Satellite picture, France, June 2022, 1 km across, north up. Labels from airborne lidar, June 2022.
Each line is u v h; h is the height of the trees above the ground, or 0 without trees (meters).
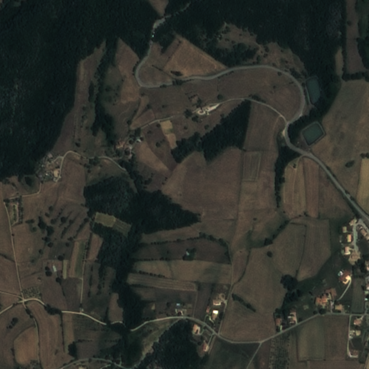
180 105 0
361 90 0
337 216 0
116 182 15
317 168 0
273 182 0
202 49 6
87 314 0
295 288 27
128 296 17
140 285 11
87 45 11
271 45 0
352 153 0
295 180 0
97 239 0
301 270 0
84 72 0
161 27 7
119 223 0
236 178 0
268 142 0
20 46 11
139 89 0
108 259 17
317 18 13
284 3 16
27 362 0
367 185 0
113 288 13
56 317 0
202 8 20
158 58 0
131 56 0
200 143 8
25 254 0
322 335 0
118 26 9
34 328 0
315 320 0
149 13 13
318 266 0
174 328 8
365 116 0
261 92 0
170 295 0
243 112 8
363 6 0
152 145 0
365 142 0
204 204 0
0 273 0
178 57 0
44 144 14
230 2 11
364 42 8
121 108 0
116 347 11
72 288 0
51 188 0
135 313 15
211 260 0
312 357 0
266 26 11
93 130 13
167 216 9
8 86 7
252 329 0
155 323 0
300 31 12
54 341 0
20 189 0
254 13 8
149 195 12
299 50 11
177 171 0
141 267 0
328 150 0
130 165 6
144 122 0
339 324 0
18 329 0
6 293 0
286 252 0
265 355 0
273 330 0
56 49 25
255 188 0
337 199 0
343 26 12
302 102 0
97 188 15
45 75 11
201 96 0
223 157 0
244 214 0
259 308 0
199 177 0
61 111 14
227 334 0
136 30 6
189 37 13
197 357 6
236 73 0
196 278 0
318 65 16
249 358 0
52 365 0
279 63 0
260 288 0
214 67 0
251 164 0
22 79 12
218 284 0
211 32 11
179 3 20
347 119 0
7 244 0
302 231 0
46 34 12
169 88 0
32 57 14
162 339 7
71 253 0
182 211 12
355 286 0
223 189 0
